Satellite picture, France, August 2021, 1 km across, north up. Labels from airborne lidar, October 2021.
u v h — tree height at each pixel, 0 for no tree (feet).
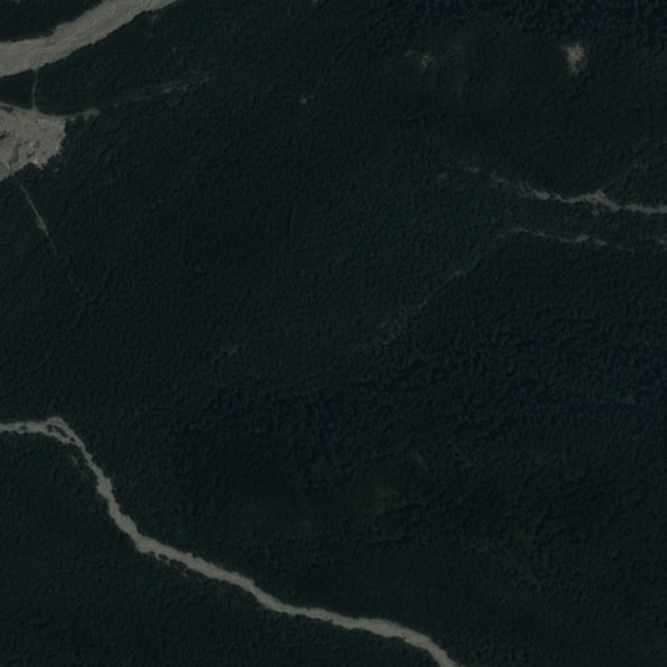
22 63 0
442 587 52
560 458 42
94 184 40
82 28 0
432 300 33
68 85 41
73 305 63
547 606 44
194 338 67
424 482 34
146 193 48
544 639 55
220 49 45
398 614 42
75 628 67
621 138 41
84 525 61
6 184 40
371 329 31
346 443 100
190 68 35
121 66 22
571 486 55
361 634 30
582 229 44
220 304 60
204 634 64
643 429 38
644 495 34
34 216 26
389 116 60
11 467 56
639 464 82
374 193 38
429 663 25
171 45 26
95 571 48
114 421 43
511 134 48
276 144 56
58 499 40
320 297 45
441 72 53
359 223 33
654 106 35
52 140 0
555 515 72
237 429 96
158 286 55
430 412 102
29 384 43
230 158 59
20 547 60
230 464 94
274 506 54
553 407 103
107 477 25
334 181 54
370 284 41
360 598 50
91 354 57
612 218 26
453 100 41
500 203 30
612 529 54
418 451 70
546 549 77
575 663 54
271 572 56
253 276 47
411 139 28
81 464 25
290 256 43
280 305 54
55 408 39
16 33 24
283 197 57
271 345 51
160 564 31
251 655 70
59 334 52
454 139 56
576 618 49
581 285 50
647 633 57
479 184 32
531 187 30
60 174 33
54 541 50
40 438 34
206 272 59
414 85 43
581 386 83
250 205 60
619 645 56
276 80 30
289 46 36
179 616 52
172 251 57
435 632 42
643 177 35
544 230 33
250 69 29
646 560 62
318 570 83
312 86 27
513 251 41
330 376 63
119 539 54
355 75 41
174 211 42
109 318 61
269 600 0
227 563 28
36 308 36
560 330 82
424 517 66
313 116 37
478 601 45
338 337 28
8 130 0
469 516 59
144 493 61
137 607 57
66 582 51
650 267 56
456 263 33
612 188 30
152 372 67
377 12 57
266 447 90
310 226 44
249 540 79
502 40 44
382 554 48
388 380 89
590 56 48
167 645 61
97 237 44
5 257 37
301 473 89
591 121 62
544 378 65
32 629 53
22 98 25
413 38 80
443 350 69
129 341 60
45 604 49
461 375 73
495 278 43
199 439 88
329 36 48
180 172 42
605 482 65
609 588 70
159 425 66
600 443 52
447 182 30
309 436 105
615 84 58
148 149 40
